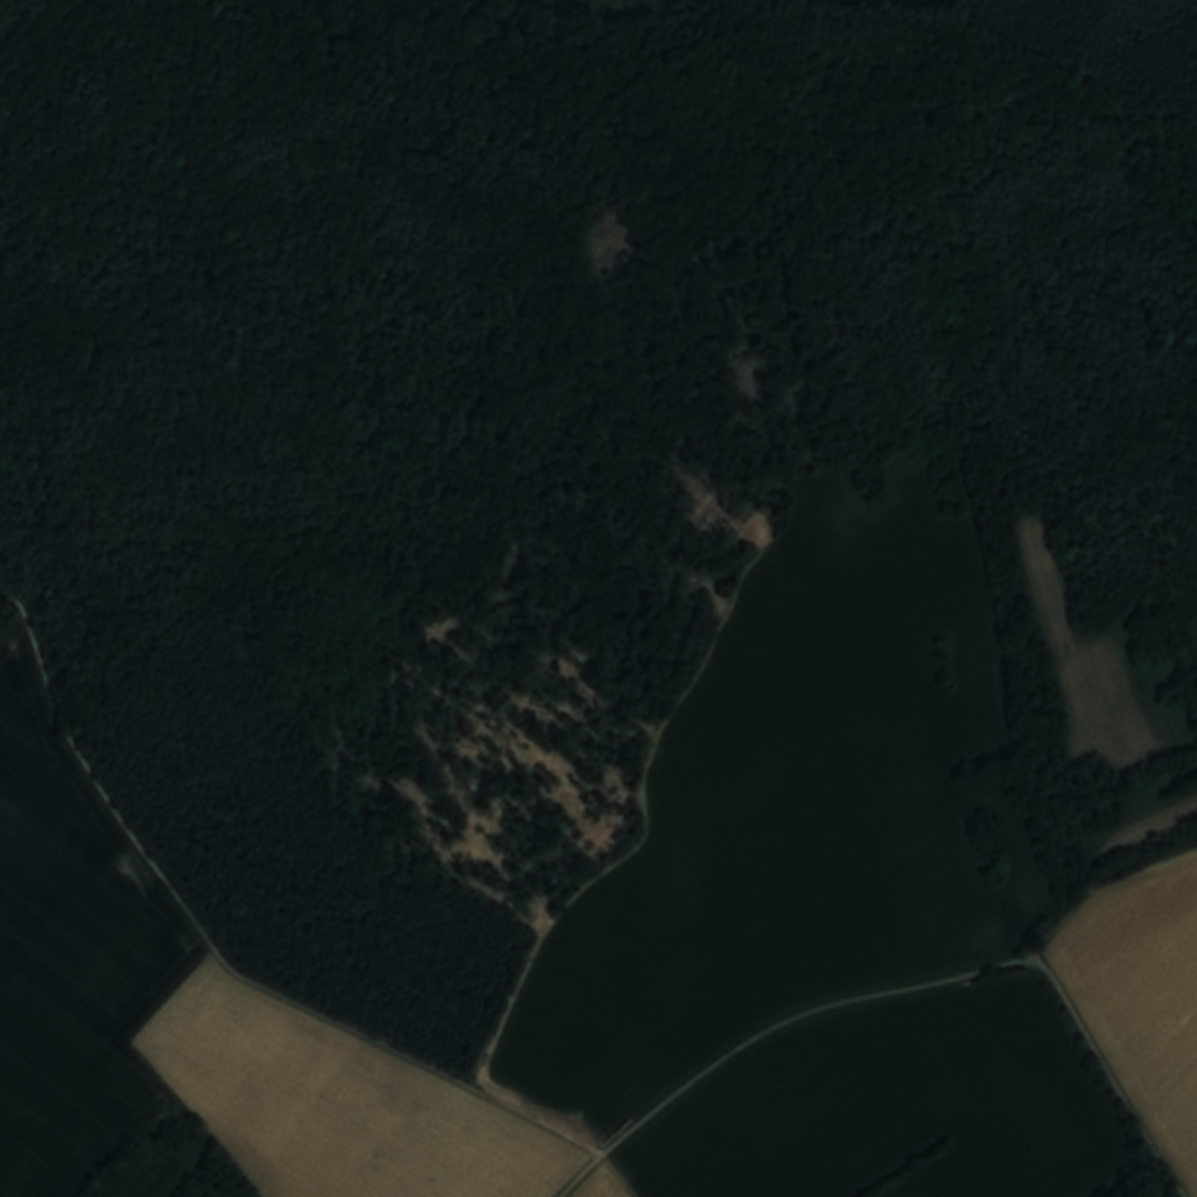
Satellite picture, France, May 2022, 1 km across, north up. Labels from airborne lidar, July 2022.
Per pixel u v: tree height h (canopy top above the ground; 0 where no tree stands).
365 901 19
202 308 21
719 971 0
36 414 16
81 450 16
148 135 11
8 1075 0
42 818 0
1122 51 11
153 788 19
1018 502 15
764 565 0
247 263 15
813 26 23
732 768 0
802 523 0
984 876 11
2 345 18
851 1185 0
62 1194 0
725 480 25
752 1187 0
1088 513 21
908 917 0
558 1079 0
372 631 23
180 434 24
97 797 0
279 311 9
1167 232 22
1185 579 15
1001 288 25
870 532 0
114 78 23
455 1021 16
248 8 23
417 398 15
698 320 26
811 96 20
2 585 14
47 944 0
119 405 21
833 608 0
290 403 23
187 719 17
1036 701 13
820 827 0
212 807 19
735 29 21
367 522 16
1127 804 9
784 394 12
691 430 24
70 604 16
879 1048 0
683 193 23
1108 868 12
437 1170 0
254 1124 0
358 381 22
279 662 21
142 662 16
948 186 16
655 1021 0
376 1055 0
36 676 0
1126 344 27
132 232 10
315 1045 0
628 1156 0
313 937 18
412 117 27
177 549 12
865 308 24
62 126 22
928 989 0
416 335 19
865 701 0
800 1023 0
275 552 14
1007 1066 0
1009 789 13
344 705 25
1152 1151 11
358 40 29
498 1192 0
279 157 22
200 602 10
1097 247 22
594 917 0
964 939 0
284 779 18
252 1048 0
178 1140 13
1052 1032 0
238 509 19
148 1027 0
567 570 23
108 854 0
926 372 28
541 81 28
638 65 22
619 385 23
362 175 23
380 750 27
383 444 19
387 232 17
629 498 24
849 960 0
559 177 31
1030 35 11
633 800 9
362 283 15
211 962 0
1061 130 22
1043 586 0
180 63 22
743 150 23
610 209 26
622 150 30
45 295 21
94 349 6
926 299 19
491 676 22
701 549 25
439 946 20
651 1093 0
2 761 0
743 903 0
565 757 29
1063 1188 0
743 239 20
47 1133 0
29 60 22
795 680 0
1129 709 0
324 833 20
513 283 18
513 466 22
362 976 21
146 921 0
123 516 16
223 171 20
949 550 0
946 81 20
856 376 28
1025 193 22
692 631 22
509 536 16
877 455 14
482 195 26
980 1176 0
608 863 13
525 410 23
